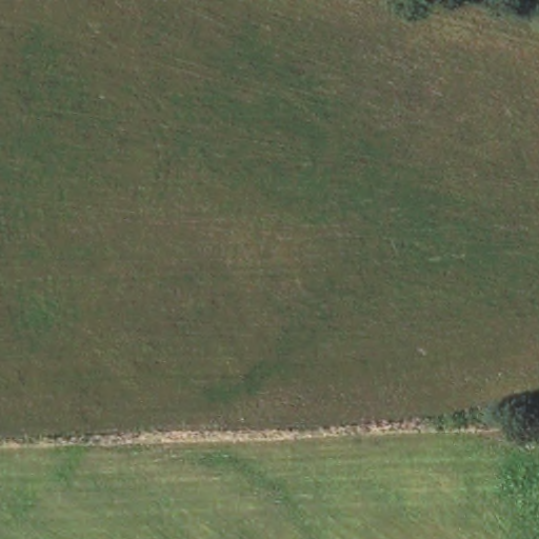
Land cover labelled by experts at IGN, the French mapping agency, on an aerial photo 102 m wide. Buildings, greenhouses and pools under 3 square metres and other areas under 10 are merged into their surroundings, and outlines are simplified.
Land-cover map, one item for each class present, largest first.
<instances>
[{"label":"agricultural land","instance_id":"1","mask_svg":"<svg viewBox=\"0 0 539 539\"><path fill-rule=\"evenodd\" d=\"M539 390V32L531 29L524 23L493 21L480 11L478 4L459 6L455 0H438L434 2V11L427 19L402 23L383 11L381 0H0V539H539V444H520L516 440H507L503 430L486 427L484 423L436 430L432 423L436 419H442L444 415L453 417L457 411L465 413L472 406H476L478 411H482L491 402L501 404V398L505 396Z\"/></svg>","mask_w":539,"mask_h":539},{"label":"brushwood","instance_id":"2","mask_svg":"<svg viewBox=\"0 0 539 539\"><path fill-rule=\"evenodd\" d=\"M484 423L486 427L503 430L507 440H516L520 444H539V390L505 396L501 398V404L491 402L482 411H478L476 406H472L465 413L457 411L453 417L444 415L442 419H436L432 423L436 430Z\"/></svg>","mask_w":539,"mask_h":539},{"label":"deciduous trees","instance_id":"3","mask_svg":"<svg viewBox=\"0 0 539 539\"><path fill-rule=\"evenodd\" d=\"M383 11L402 23L427 19L434 11V2L438 0H381ZM459 6L478 4L480 11L493 21L524 23L531 29L539 32V0H455Z\"/></svg>","mask_w":539,"mask_h":539}]
</instances>
